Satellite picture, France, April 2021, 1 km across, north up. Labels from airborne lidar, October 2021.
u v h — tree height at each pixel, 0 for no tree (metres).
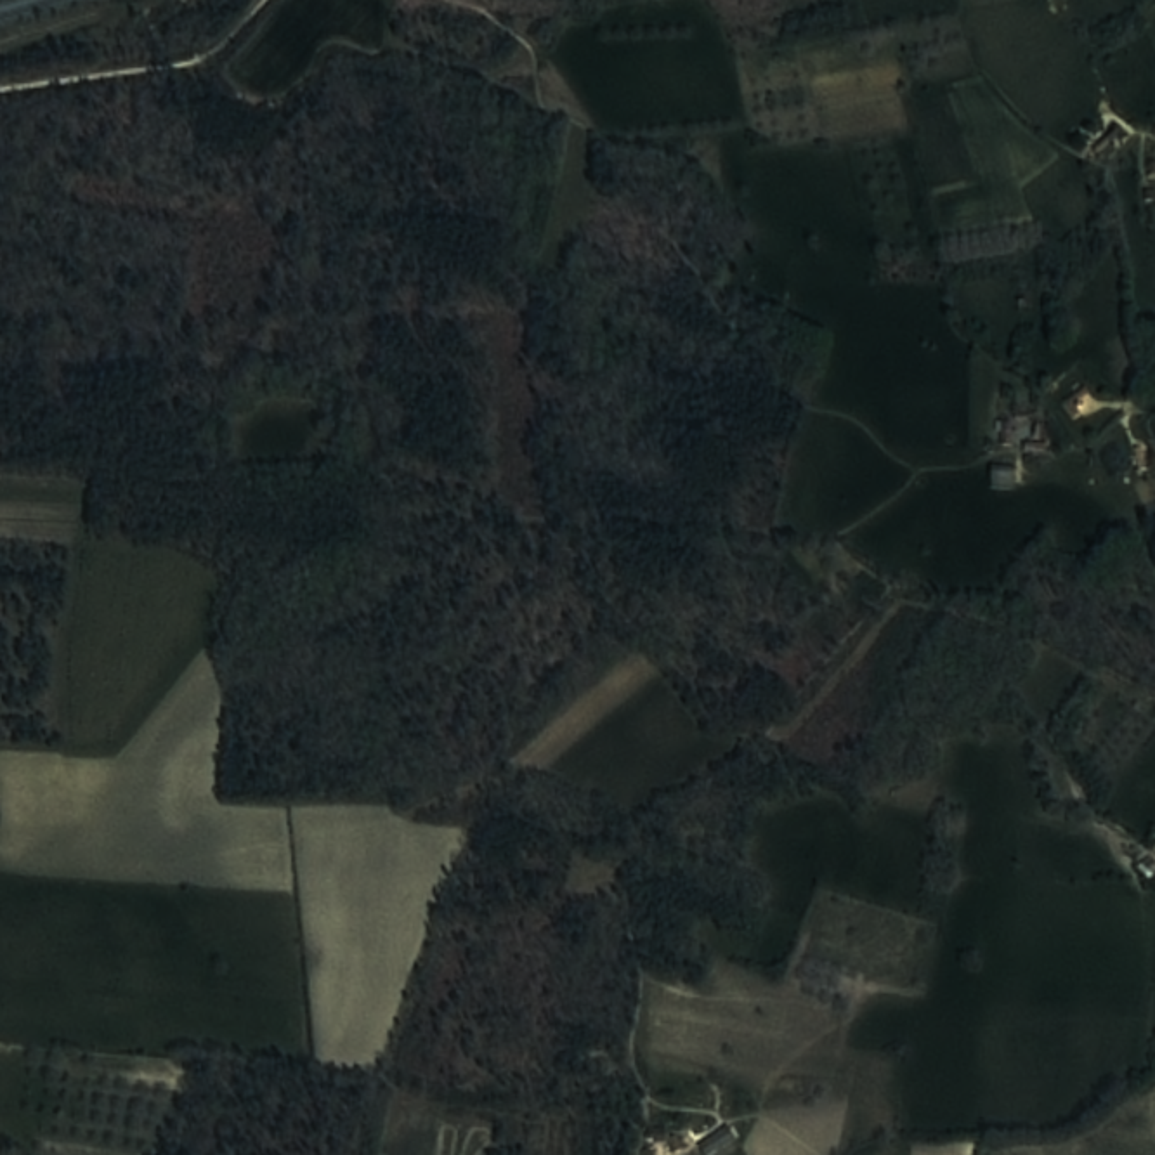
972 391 0
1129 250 9
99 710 0
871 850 0
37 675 14
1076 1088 0
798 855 0
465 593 19
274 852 0
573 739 0
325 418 10
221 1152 12
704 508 17
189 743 0
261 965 0
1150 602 18
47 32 0
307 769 14
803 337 18
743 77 0
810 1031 0
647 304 16
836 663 20
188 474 19
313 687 18
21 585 20
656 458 18
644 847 17
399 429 17
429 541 8
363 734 17
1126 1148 0
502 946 10
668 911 21
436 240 21
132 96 10
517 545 17
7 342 20
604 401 25
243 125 11
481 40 10
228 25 17
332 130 16
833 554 11
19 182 23
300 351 22
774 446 16
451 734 9
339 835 0
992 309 0
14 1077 0
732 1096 0
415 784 16
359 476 19
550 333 21
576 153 0
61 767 0
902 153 0
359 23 0
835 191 0
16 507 0
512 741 12
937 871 21
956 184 0
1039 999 0
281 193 11
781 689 23
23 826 0
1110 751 7
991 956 0
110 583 0
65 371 9
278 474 12
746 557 8
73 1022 0
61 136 16
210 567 13
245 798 14
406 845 0
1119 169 8
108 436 15
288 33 0
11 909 0
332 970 0
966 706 25
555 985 9
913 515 0
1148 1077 6
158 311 16
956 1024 0
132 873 0
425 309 14
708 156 0
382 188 11
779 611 10
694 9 0
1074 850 0
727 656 14
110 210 12
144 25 18
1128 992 0
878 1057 0
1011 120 0
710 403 19
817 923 0
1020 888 0
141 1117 13
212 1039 0
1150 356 22
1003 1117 0
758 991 0
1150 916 0
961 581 0
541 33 17
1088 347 0
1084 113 0
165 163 22
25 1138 0
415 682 14
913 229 9
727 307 15
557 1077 8
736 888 20
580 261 20
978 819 0
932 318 0
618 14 0
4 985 0
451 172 15
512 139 16
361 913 0
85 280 16
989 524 0
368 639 12
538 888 18
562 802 21
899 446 0
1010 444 0
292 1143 16
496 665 8
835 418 0
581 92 0
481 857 20
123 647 0
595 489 15
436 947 11
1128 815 0
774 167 0
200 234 8
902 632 13
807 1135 0
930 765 17
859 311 0
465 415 23
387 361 20
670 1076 0
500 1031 13
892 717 18
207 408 18
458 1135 0
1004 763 0
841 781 19
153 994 0
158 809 0
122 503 17
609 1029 16
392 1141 0
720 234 10
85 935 0
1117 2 0
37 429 10
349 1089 10
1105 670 17
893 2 0
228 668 23
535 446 18
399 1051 7
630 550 18
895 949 0
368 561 19
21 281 19
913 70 7
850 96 0
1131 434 0
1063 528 0
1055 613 11
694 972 14
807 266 0
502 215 16
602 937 17
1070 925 0
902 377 0
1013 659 20
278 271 14
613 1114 17
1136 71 0
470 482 20
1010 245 10
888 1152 16
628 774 0
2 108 14
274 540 19
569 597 7
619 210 12
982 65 0
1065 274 12
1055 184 0
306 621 18
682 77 0
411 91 15
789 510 0
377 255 9
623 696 0
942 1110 0
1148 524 22
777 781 20
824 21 12
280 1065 16
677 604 16
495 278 23
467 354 20
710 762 0
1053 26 0
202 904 0
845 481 0
